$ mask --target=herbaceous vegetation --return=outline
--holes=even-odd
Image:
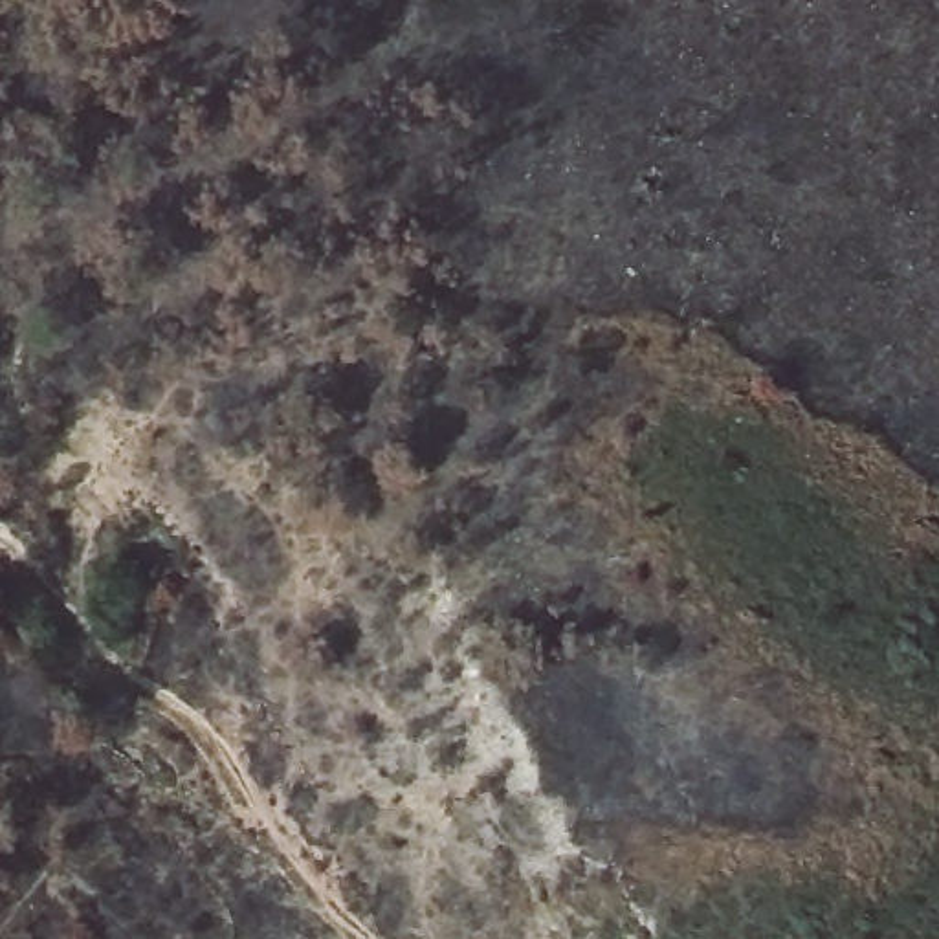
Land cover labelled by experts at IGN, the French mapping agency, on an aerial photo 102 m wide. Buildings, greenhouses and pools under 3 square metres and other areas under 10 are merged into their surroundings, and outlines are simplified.
[[[847,825],[840,818],[818,814],[807,836],[800,840],[778,840],[774,833],[730,833],[719,825],[704,825],[697,836],[682,836],[664,825],[638,825],[616,847],[609,847],[609,840],[576,844],[576,855],[565,858],[558,873],[558,899],[572,910],[550,939],[939,939],[939,488],[924,484],[913,470],[895,462],[895,455],[877,436],[855,433],[840,422],[811,418],[792,392],[774,389],[756,363],[734,356],[712,334],[708,319],[697,319],[693,326],[671,326],[653,315],[580,315],[569,326],[569,345],[580,345],[587,330],[624,334],[616,363],[627,367],[631,389],[605,422],[594,422],[594,436],[587,444],[576,444],[576,466],[583,470],[587,484],[605,488],[609,499],[583,499],[580,506],[591,514],[605,514],[613,521],[602,572],[620,565],[635,569],[646,561],[653,569],[668,569],[671,576],[690,580],[682,594],[686,616],[679,624],[682,649],[679,657],[671,657],[668,668],[675,671],[675,693],[701,701],[701,741],[723,737],[730,726],[774,741],[781,730],[803,723],[818,734],[811,785],[825,796],[858,796],[862,814]]]

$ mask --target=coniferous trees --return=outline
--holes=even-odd
[[[132,576],[121,572],[117,550],[136,543],[169,547],[176,539],[176,532],[158,514],[128,514],[103,521],[95,532],[77,532],[77,558],[70,565],[66,583],[66,609],[92,635],[95,649],[110,664],[117,660],[117,646],[128,642],[136,587]]]
[[[15,319],[15,348],[7,363],[22,370],[22,385],[62,385],[73,392],[77,403],[95,400],[106,389],[125,407],[143,411],[150,396],[158,396],[169,381],[176,389],[176,411],[187,418],[220,418],[220,444],[231,447],[238,458],[268,458],[268,466],[282,473],[286,484],[293,484],[315,510],[337,503],[345,466],[323,462],[319,440],[334,429],[337,411],[308,411],[304,389],[312,378],[312,363],[330,359],[367,363],[378,370],[407,370],[411,330],[451,330],[477,312],[481,297],[473,275],[492,253],[492,246],[514,238],[514,220],[488,224],[481,216],[481,205],[462,205],[447,191],[436,194],[436,180],[458,180],[470,158],[488,161],[499,143],[517,139],[517,110],[539,99],[539,88],[528,66],[503,66],[495,55],[458,55],[458,66],[451,70],[444,62],[414,66],[407,55],[389,59],[367,51],[359,62],[348,66],[341,51],[341,26],[348,22],[348,15],[337,7],[337,0],[0,0],[0,15],[22,15],[18,51],[29,66],[29,84],[37,88],[22,103],[22,110],[15,110],[11,117],[0,114],[0,315]]]

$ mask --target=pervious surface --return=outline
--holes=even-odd
[[[180,730],[198,730],[205,741],[216,745],[224,767],[246,796],[242,822],[264,829],[268,840],[290,858],[290,869],[315,891],[315,913],[326,924],[334,924],[330,939],[381,939],[370,917],[348,910],[341,895],[341,866],[315,873],[301,858],[304,840],[297,822],[286,814],[282,803],[264,803],[264,789],[249,774],[246,752],[231,737],[220,737],[220,730],[209,723],[202,708],[187,704],[172,690],[158,690],[165,715]]]

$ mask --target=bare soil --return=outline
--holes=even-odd
[[[29,66],[18,51],[22,15],[0,15],[0,114],[11,117],[15,110],[22,110],[22,103],[37,88],[29,84]]]
[[[620,565],[602,572],[613,521],[605,514],[591,514],[580,506],[583,499],[609,499],[605,488],[587,484],[583,470],[576,466],[576,444],[587,444],[594,436],[594,422],[605,422],[631,389],[627,367],[616,363],[624,334],[587,330],[580,345],[569,345],[569,326],[580,315],[653,315],[671,326],[693,326],[697,319],[708,319],[712,334],[734,356],[756,363],[774,389],[792,392],[811,418],[840,422],[855,433],[877,436],[895,455],[895,462],[913,470],[924,484],[939,488],[939,0],[337,0],[337,7],[348,15],[348,22],[341,26],[341,51],[348,66],[359,62],[367,51],[389,59],[407,55],[414,66],[444,62],[451,70],[458,66],[458,55],[495,55],[503,66],[528,66],[539,88],[539,99],[517,110],[517,139],[499,143],[488,161],[470,158],[458,180],[436,180],[436,194],[447,191],[462,205],[481,205],[481,216],[488,224],[514,220],[514,238],[492,246],[492,253],[473,275],[481,297],[477,312],[451,330],[411,330],[407,370],[378,370],[367,363],[330,359],[312,363],[312,378],[304,389],[308,411],[337,411],[334,429],[319,440],[323,462],[345,466],[337,503],[315,510],[293,484],[286,484],[282,473],[268,466],[268,458],[238,458],[231,447],[220,444],[220,418],[187,418],[176,411],[176,389],[169,381],[158,396],[150,396],[143,411],[125,407],[106,389],[95,400],[77,403],[73,392],[62,385],[22,385],[22,370],[7,363],[15,348],[15,319],[0,315],[0,939],[330,939],[334,924],[326,924],[315,913],[315,891],[290,869],[290,858],[268,840],[264,829],[242,822],[246,796],[224,767],[216,745],[205,741],[198,730],[180,730],[165,715],[158,690],[172,690],[187,704],[202,708],[209,723],[220,730],[220,737],[231,737],[246,752],[249,774],[264,789],[264,803],[282,803],[286,814],[297,822],[304,840],[301,858],[315,873],[341,866],[341,895],[348,910],[370,917],[381,939],[550,939],[572,910],[558,899],[558,873],[565,858],[576,855],[576,844],[609,840],[609,847],[616,847],[638,825],[664,825],[682,836],[697,836],[704,825],[719,825],[730,833],[774,833],[778,840],[800,840],[807,836],[818,814],[840,818],[847,825],[862,814],[858,796],[825,796],[811,785],[818,734],[803,723],[781,730],[774,741],[730,726],[723,737],[701,741],[701,701],[675,693],[675,671],[668,668],[671,657],[679,657],[682,649],[679,624],[686,616],[682,594],[690,580],[671,576],[668,569],[653,569],[646,561],[635,569]],[[169,547],[136,543],[117,550],[121,572],[132,576],[136,587],[128,642],[117,646],[117,660],[110,664],[95,649],[92,635],[66,609],[66,583],[70,565],[77,558],[77,532],[95,532],[103,521],[128,514],[158,514],[176,532],[176,539]]]

